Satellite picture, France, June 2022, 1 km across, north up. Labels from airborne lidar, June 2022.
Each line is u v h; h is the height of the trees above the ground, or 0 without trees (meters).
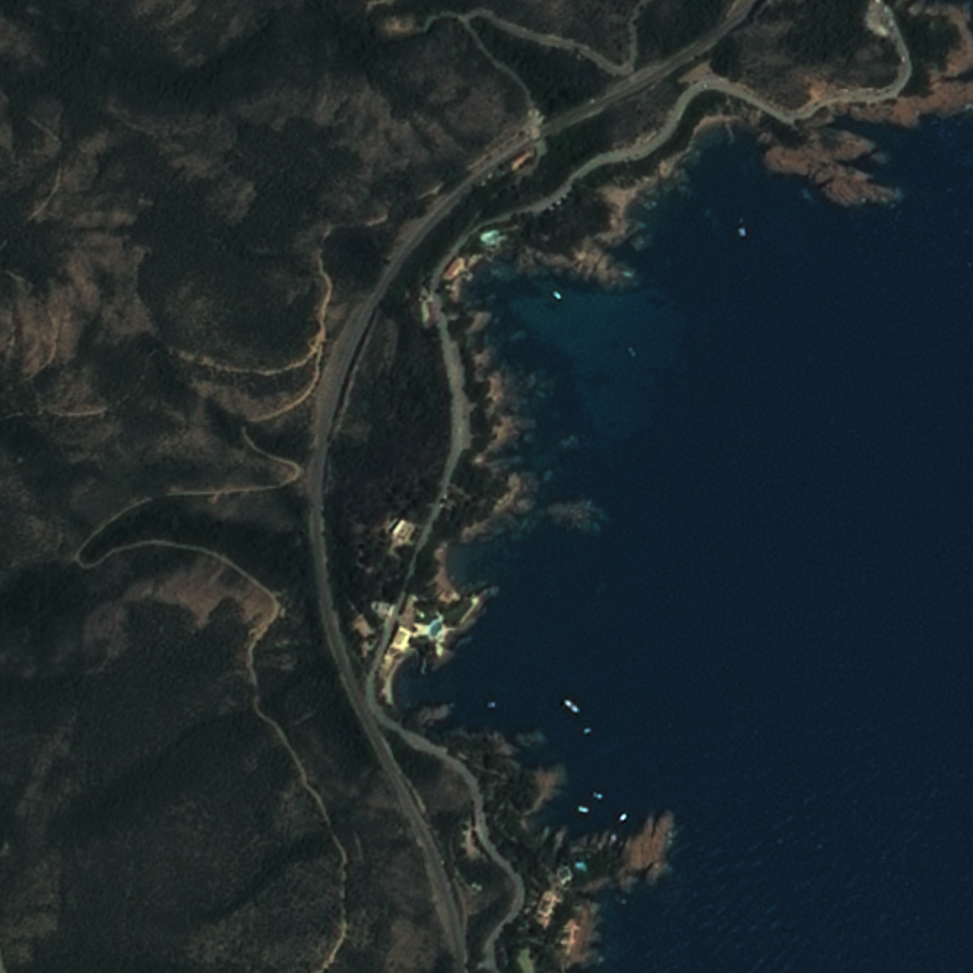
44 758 0
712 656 0
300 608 6
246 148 6
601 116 5
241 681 6
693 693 0
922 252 0
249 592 0
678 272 0
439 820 6
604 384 0
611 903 0
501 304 0
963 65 0
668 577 0
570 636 0
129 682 7
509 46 7
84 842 5
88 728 7
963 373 0
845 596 0
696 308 0
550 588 0
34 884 0
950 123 0
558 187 7
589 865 12
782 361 0
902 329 0
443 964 8
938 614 0
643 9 8
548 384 0
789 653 0
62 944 5
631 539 0
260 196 9
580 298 0
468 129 0
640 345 0
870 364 0
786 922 0
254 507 0
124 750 7
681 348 0
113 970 6
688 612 0
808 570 0
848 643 0
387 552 16
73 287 0
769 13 9
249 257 7
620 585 0
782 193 0
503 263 0
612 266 0
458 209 6
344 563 8
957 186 0
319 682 8
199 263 6
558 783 0
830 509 0
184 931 6
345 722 11
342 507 14
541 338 0
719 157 0
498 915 12
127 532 6
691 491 0
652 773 0
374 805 0
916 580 0
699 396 0
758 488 0
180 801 6
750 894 0
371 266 13
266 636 8
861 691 0
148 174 6
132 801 7
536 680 0
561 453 0
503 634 0
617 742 0
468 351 13
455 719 0
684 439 0
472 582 0
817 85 0
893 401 0
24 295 0
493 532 0
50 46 8
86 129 7
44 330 0
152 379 6
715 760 0
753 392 0
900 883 0
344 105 8
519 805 13
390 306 8
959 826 0
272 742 6
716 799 0
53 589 8
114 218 0
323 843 13
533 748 0
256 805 8
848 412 0
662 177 0
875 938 0
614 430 0
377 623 10
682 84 5
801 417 0
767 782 0
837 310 0
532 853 13
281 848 7
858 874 0
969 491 0
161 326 8
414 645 12
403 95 8
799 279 0
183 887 6
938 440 0
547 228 7
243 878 7
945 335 0
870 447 0
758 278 0
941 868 0
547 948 12
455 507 8
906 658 0
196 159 0
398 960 0
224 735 6
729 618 0
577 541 0
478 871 7
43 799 0
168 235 8
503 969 8
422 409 6
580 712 0
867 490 0
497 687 0
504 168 11
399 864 0
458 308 6
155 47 8
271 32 7
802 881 0
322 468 0
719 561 0
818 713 0
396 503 22
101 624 0
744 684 0
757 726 0
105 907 6
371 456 9
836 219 0
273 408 0
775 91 0
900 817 0
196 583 0
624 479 0
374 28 11
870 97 0
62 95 9
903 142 0
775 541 0
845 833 0
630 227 0
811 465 0
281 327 7
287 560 10
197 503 0
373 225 7
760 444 0
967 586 0
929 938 0
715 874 0
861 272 0
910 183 0
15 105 9
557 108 10
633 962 0
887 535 0
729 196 0
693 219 0
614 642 0
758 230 0
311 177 9
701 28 10
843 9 8
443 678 0
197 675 8
